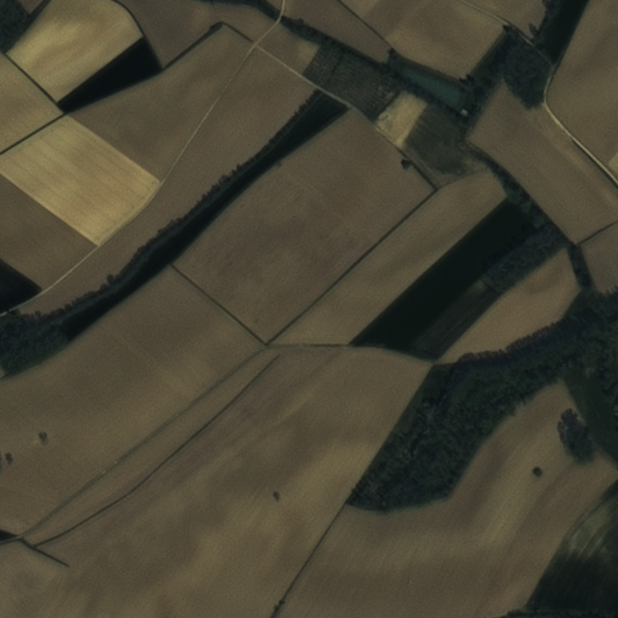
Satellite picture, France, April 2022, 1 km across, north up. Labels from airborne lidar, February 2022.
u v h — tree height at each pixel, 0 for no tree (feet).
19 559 0
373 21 0
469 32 0
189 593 0
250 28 0
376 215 0
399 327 0
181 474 0
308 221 0
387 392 0
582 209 0
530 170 0
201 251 0
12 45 55
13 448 0
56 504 0
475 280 0
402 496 94
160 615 0
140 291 0
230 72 0
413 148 0
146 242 0
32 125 0
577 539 0
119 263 0
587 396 0
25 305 0
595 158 0
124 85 0
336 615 0
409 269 0
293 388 0
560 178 0
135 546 0
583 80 0
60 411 0
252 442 0
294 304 0
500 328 0
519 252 77
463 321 0
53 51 0
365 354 0
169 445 0
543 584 0
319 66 0
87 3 0
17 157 0
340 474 0
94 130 0
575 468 0
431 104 33
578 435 122
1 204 0
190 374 0
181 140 0
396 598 0
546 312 0
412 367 0
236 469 0
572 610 0
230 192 0
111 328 0
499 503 0
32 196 0
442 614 0
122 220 0
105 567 0
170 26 0
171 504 0
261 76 0
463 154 0
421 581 0
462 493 0
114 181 0
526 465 0
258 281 0
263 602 0
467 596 0
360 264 0
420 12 0
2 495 0
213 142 0
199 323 0
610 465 0
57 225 0
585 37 0
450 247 0
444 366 0
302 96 0
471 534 0
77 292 0
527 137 0
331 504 0
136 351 0
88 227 0
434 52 0
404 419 0
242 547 0
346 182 0
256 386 0
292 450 0
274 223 0
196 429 0
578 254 57
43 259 0
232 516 0
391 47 0
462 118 52
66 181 0
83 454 0
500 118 0
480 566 0
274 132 0
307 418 0
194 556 0
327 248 0
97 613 0
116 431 0
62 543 0
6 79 0
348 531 0
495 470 0
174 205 0
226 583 0
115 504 0
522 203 55
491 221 0
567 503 0
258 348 0
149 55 0
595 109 0
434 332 0
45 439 42
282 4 0
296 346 0
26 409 0
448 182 0
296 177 0
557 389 0
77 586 0
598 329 123
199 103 0
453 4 0
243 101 0
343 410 0
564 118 0
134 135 0
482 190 0
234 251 0
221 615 0
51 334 117
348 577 0
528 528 0
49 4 0
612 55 0
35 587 0
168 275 0
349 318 0
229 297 0
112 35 0
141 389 0
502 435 0
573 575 0
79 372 0
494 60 0
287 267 0
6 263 0
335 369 0
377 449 0
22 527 0
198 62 0
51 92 0
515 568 0
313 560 0
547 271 0
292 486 0
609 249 0
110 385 0
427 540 0
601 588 0
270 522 0
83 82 0
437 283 0
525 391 87
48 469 0
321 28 0
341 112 0
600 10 0
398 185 0
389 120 0
